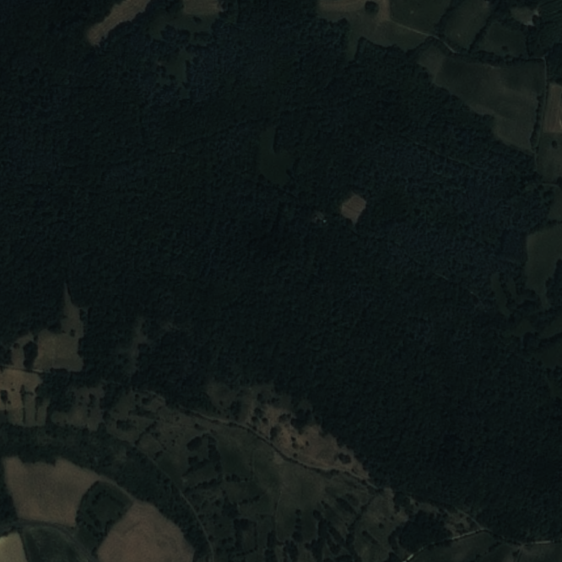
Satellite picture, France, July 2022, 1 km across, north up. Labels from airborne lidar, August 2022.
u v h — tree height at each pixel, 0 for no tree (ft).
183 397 52
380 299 53
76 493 0
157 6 66
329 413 26
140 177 55
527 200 47
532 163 32
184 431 0
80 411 0
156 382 33
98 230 56
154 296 25
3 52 82
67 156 64
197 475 0
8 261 24
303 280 37
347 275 62
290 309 37
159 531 0
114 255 33
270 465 0
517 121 0
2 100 67
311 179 30
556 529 41
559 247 0
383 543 0
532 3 50
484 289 45
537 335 30
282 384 48
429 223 26
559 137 0
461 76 0
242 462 0
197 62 52
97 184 31
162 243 55
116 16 0
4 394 18
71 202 45
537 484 70
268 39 42
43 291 39
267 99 41
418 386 67
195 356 49
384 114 68
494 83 0
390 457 34
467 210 51
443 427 69
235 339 31
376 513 0
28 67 64
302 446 0
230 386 32
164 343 36
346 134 57
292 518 0
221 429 0
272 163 0
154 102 39
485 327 51
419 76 40
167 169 56
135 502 0
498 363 36
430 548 42
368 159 31
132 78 57
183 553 0
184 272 48
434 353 89
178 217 33
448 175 42
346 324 56
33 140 51
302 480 0
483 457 83
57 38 58
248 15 39
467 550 0
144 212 48
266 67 50
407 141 63
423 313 58
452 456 55
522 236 70
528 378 59
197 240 39
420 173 44
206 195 54
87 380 40
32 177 62
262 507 0
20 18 69
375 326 55
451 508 33
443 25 38
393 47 19
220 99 52
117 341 24
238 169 48
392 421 30
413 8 0
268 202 64
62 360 0
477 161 59
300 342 33
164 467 0
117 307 40
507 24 38
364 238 36
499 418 53
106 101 75
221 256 60
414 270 43
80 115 69
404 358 60
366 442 55
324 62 54
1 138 47
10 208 49
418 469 33
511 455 85
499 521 35
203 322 42
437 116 41
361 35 0
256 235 46
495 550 23
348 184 52
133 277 39
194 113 41
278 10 54
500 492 36
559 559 0
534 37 31
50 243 29
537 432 55
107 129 62
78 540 0
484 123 35
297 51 34
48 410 26
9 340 25
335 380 33
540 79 0
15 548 0
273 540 39
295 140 37
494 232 40
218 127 38
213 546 0
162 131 48
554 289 54
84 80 60
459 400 58
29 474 0
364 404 37
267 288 29
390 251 61
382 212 28
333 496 0
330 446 0
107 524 25
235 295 33
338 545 22
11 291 47
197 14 0
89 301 42
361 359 23
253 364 29
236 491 0
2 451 21
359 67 55
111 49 52
